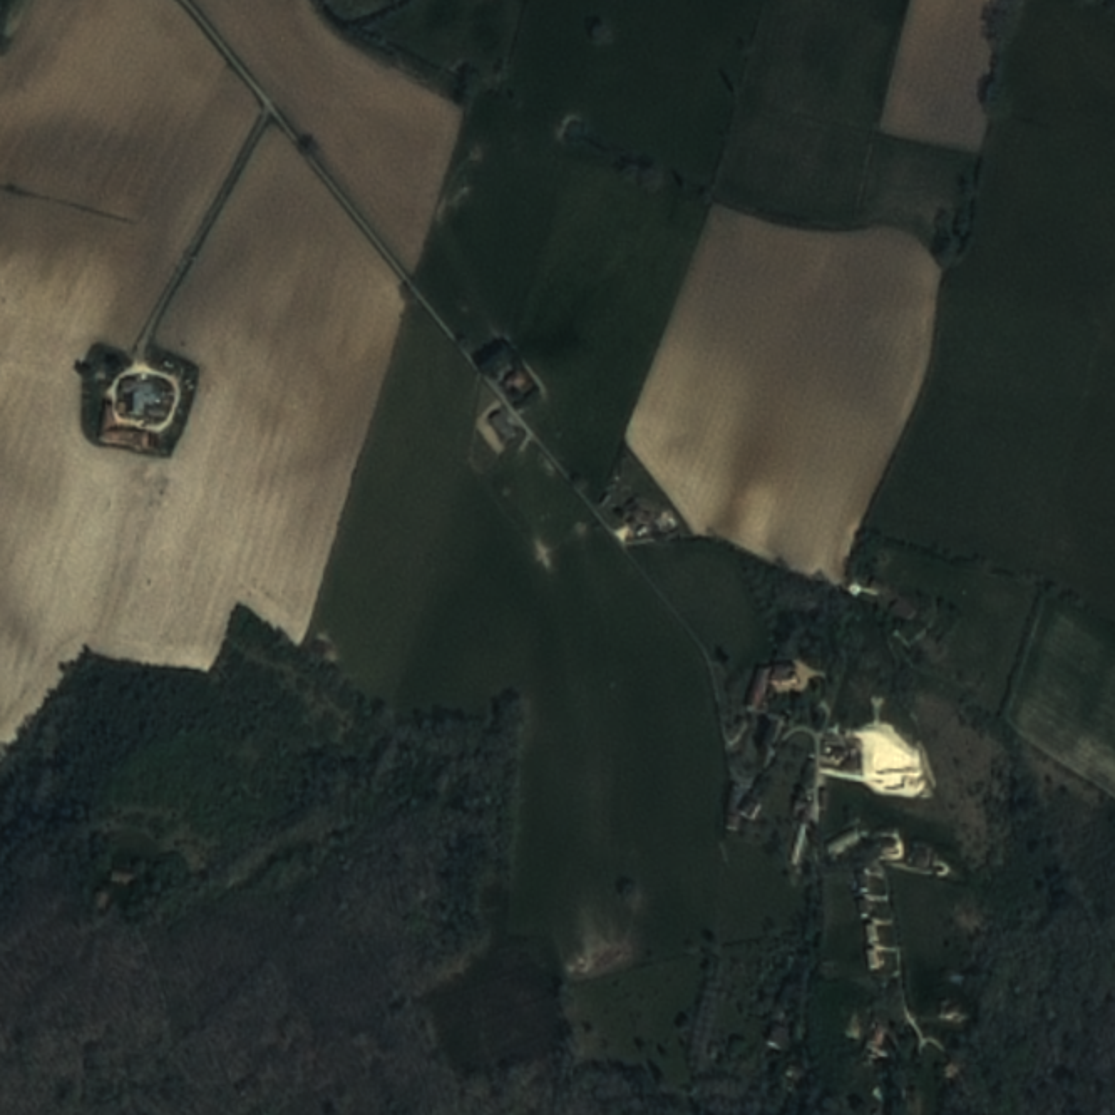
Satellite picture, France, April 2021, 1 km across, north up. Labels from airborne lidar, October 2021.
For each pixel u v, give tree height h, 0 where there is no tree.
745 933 0
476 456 0
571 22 0
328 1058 9
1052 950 19
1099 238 0
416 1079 17
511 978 0
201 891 11
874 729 0
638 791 0
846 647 17
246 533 0
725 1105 10
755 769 8
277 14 0
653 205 0
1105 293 0
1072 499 0
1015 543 0
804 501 0
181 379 0
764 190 0
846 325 0
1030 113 0
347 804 9
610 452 0
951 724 0
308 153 14
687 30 0
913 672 10
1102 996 24
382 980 12
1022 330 0
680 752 0
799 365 0
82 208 0
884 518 0
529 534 0
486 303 0
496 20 0
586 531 0
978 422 0
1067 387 0
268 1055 15
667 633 0
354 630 0
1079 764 0
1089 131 0
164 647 0
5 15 8
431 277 0
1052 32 0
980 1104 21
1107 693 0
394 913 16
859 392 0
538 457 0
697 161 0
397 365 0
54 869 13
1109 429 0
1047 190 0
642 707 0
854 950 0
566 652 0
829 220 0
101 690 11
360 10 0
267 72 0
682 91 0
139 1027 14
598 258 0
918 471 0
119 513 0
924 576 0
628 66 0
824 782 0
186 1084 17
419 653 0
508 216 0
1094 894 8
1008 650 0
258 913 11
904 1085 19
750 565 7
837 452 0
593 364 0
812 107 0
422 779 11
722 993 11
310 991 12
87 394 0
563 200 0
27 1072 20
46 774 14
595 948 0
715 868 0
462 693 0
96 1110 18
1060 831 6
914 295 0
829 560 0
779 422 0
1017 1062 26
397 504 0
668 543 11
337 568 0
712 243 0
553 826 0
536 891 0
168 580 0
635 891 16
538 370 0
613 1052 9
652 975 0
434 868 22
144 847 0
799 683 0
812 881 17
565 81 0
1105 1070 23
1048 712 0
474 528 0
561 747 0
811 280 0
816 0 0
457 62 0
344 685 14
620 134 0
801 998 18
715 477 0
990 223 0
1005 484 0
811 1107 15
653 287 0
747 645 0
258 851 16
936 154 0
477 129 0
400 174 0
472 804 16
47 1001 12
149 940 11
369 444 0
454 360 0
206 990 11
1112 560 0
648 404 0
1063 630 0
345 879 13
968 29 0
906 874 0
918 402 0
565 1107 17
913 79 0
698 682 0
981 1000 14
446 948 22
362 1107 11
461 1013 0
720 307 0
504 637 0
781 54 0
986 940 14
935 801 0
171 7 0
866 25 0
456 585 0
